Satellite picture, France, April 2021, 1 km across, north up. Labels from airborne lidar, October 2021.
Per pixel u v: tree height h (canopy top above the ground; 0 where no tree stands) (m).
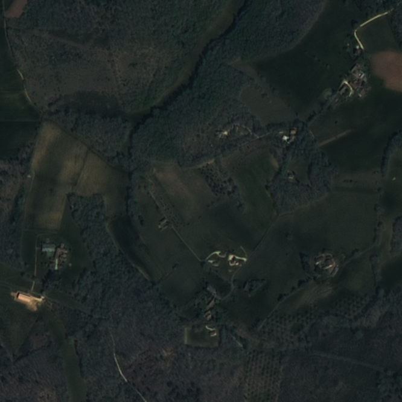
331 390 8
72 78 0
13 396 9
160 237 0
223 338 19
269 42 19
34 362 16
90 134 12
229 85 16
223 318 12
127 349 16
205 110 18
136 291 15
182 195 0
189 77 0
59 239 0
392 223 0
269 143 16
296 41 18
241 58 12
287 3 18
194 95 23
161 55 11
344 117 0
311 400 8
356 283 0
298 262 0
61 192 0
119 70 7
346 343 10
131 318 20
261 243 0
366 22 0
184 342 8
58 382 15
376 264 18
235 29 18
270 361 11
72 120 18
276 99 0
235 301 6
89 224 17
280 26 19
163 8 23
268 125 0
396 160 0
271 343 13
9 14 0
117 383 18
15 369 12
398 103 0
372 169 0
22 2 0
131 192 17
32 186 0
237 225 0
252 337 14
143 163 15
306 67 0
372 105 0
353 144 0
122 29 21
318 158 22
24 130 0
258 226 0
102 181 0
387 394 21
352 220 0
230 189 6
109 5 22
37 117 0
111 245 23
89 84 0
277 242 0
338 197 0
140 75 8
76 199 14
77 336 21
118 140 16
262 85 0
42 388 11
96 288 23
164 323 19
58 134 0
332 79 0
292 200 23
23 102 0
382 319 10
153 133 20
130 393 16
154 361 8
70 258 0
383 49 0
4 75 0
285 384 10
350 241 0
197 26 22
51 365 12
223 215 0
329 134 0
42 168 0
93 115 22
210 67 18
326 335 9
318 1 17
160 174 0
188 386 10
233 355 20
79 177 0
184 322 18
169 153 22
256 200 0
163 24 23
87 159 0
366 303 8
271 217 0
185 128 16
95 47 8
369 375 10
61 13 23
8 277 0
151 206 0
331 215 0
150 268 0
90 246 16
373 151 0
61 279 8
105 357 20
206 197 0
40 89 0
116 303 16
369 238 0
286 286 0
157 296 21
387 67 0
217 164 13
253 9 18
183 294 0
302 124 18
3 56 0
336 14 0
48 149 0
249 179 0
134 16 22
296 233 0
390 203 0
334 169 19
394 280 0
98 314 17
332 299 0
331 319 24
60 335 0
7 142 0
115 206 0
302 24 16
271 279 0
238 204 17
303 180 0
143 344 15
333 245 0
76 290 22
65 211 0
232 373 9
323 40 0
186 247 0
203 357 19
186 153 9
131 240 0
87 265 0
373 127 0
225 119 14
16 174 7
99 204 8
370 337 7
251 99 0
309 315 7
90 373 19
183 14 24
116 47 16
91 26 20
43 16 19
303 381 16
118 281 19
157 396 20
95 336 21
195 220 0
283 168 16
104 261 22
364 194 0
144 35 19
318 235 0
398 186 0
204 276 0
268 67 0
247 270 0
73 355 0
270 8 18
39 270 0
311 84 0
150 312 20
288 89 0
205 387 14
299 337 9
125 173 0
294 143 7
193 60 0
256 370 11
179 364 19
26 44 0
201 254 0
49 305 9
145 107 17
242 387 15
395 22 14
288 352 11
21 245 9
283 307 0
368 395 21
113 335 19
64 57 11
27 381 12
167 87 13
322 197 24
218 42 10
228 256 0
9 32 10
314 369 9
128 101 18
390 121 0
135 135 18
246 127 11
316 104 0
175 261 0
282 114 0
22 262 14
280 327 8
